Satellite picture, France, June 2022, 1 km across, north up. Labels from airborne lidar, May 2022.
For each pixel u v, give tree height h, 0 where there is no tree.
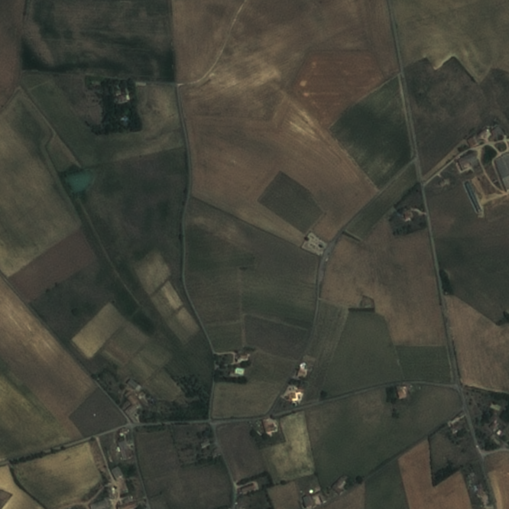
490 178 0
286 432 0
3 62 0
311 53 0
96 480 0
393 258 0
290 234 0
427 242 0
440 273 8
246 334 0
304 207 0
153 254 0
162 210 0
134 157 0
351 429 0
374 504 0
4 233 0
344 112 0
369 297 0
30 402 0
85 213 0
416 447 0
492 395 9
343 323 0
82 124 0
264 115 0
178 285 0
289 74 0
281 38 0
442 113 0
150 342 0
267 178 0
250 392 0
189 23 0
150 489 0
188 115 0
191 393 8
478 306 0
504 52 0
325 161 0
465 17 0
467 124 0
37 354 0
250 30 0
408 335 0
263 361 0
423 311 0
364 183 0
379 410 0
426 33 0
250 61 0
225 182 0
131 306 0
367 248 0
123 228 0
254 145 0
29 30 0
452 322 0
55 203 0
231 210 0
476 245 0
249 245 0
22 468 0
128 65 0
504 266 0
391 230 0
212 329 0
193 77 0
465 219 0
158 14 0
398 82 0
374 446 0
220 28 0
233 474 0
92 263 0
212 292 0
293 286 0
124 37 0
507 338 0
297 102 0
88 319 0
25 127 0
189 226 0
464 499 0
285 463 0
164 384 0
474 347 0
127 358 0
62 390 0
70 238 0
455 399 0
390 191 0
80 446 0
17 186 0
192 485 0
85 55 0
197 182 0
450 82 0
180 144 0
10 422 0
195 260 0
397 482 0
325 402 0
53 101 0
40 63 0
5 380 0
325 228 0
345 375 0
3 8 0
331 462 0
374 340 0
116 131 9
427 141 0
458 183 0
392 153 0
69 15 0
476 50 0
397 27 0
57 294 0
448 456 0
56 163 0
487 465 0
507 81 0
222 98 0
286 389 0
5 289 0
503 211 0
